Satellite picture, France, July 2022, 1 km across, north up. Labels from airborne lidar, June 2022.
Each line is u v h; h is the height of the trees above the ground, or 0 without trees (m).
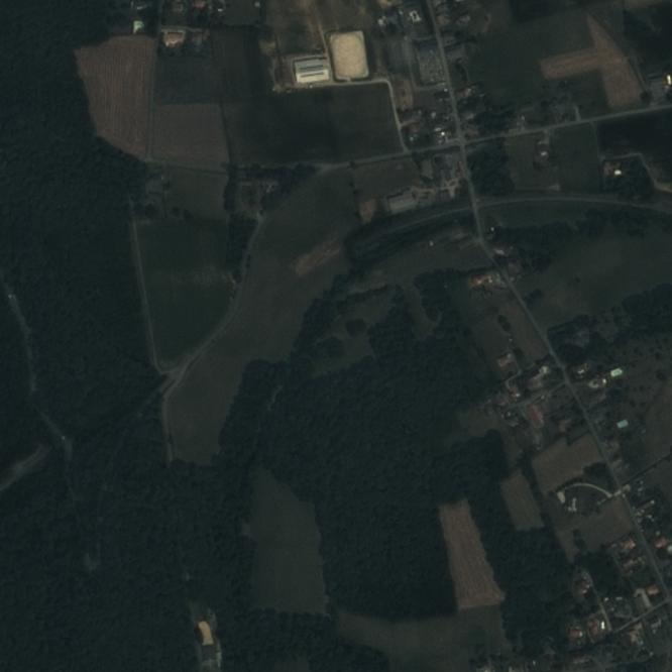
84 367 19
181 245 0
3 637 26
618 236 0
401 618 12
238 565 14
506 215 0
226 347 0
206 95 0
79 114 18
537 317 0
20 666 25
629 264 0
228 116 0
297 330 0
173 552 22
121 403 7
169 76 0
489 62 0
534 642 23
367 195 0
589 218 14
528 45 0
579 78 0
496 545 21
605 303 0
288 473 22
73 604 26
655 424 0
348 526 24
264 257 0
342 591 23
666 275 0
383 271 0
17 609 26
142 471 24
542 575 26
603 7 0
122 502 26
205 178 0
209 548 26
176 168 0
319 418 28
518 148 0
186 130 0
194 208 0
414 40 0
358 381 23
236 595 17
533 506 0
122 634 23
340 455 21
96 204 25
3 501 10
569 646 19
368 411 21
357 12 0
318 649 25
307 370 24
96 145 17
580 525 0
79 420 25
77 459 15
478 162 8
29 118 31
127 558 24
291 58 0
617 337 7
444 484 26
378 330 13
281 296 0
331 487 20
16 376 22
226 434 22
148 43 0
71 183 28
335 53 0
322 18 0
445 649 0
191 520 22
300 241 0
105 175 21
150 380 15
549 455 0
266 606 0
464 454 21
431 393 23
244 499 23
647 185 26
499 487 19
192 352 0
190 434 0
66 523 34
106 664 22
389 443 22
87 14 20
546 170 0
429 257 0
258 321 0
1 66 24
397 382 25
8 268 23
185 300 0
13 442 23
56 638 27
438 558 14
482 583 0
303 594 0
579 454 0
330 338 0
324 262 0
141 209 13
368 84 0
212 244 0
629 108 0
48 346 27
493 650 0
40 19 18
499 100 0
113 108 0
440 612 13
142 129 0
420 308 0
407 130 8
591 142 0
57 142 30
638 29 10
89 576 13
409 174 0
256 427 12
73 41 14
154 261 0
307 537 0
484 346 0
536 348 0
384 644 0
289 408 29
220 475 24
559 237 24
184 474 14
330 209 0
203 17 15
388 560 21
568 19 0
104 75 0
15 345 21
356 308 0
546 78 0
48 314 30
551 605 15
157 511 25
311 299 0
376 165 0
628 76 0
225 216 0
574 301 0
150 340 0
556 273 0
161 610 18
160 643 23
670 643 0
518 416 5
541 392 0
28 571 31
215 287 0
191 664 21
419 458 23
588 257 0
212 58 0
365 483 31
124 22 13
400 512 19
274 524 0
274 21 0
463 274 17
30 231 20
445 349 23
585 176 0
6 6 23
